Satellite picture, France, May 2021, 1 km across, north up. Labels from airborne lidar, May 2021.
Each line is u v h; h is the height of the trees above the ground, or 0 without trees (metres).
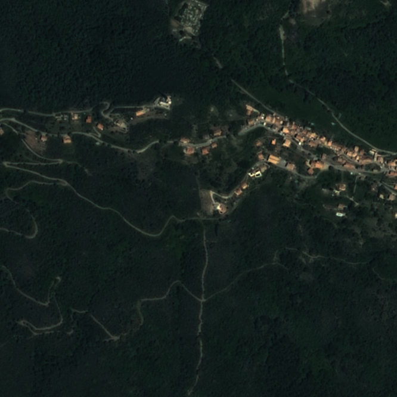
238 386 9
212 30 12
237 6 13
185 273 13
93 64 15
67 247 10
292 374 13
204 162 11
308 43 12
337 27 9
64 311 13
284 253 6
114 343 16
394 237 9
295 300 24
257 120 0
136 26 18
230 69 18
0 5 12
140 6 8
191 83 7
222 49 11
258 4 9
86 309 9
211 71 21
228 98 12
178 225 10
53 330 6
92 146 17
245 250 10
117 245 6
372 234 0
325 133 8
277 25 10
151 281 7
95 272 10
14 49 12
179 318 6
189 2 0
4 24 8
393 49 7
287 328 7
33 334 8
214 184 13
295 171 0
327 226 7
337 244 14
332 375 6
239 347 14
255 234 9
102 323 8
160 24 7
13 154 11
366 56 9
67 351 6
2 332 6
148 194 6
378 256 13
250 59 12
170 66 10
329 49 6
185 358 7
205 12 9
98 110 6
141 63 9
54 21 18
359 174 0
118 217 7
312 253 10
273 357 12
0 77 9
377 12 7
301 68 7
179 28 0
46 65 12
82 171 8
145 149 0
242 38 7
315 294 7
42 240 7
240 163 9
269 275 6
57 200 13
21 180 7
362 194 0
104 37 19
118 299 9
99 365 6
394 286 9
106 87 11
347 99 14
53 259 14
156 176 9
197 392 6
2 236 7
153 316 7
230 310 8
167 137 8
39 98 9
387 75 15
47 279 10
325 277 15
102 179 6
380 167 0
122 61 15
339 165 0
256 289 7
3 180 13
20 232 11
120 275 8
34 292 6
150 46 10
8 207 14
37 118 5
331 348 17
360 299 7
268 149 7
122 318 8
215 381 8
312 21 0
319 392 6
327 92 17
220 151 0
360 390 6
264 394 15
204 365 6
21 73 11
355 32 14
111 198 5
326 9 0
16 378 8
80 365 7
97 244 6
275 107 7
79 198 7
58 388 7
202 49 10
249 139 6
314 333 6
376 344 6
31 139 0
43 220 10
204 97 11
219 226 13
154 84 7
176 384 15
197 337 10
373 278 9
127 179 8
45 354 17
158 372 10
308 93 14
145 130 6
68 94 9
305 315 5
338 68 8
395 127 8
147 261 6
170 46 18
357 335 7
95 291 6
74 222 7
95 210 7
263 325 12
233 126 6
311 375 9
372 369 7
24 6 10
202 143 0
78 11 16
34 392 13
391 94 9
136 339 8
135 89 7
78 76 13
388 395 20
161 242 7
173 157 0
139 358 9
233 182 7
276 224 6
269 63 13
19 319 10
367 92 20
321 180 5
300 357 9
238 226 10
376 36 12
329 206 0
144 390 6
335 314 8
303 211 12
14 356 5
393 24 9
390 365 10
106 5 14
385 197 10
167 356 7
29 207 13
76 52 14
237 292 6
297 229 10
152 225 13
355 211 11
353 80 16
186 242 6
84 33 15
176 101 0
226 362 10
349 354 12
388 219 0
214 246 13
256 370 12
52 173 5
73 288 8
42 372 16
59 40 13
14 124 8
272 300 7
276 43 9
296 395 9
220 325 9
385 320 9
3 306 7
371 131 9
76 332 9
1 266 7
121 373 7
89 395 7
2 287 15
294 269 5
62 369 15
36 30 6
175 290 6
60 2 19
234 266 6
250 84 19
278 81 20
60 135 8
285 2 10
